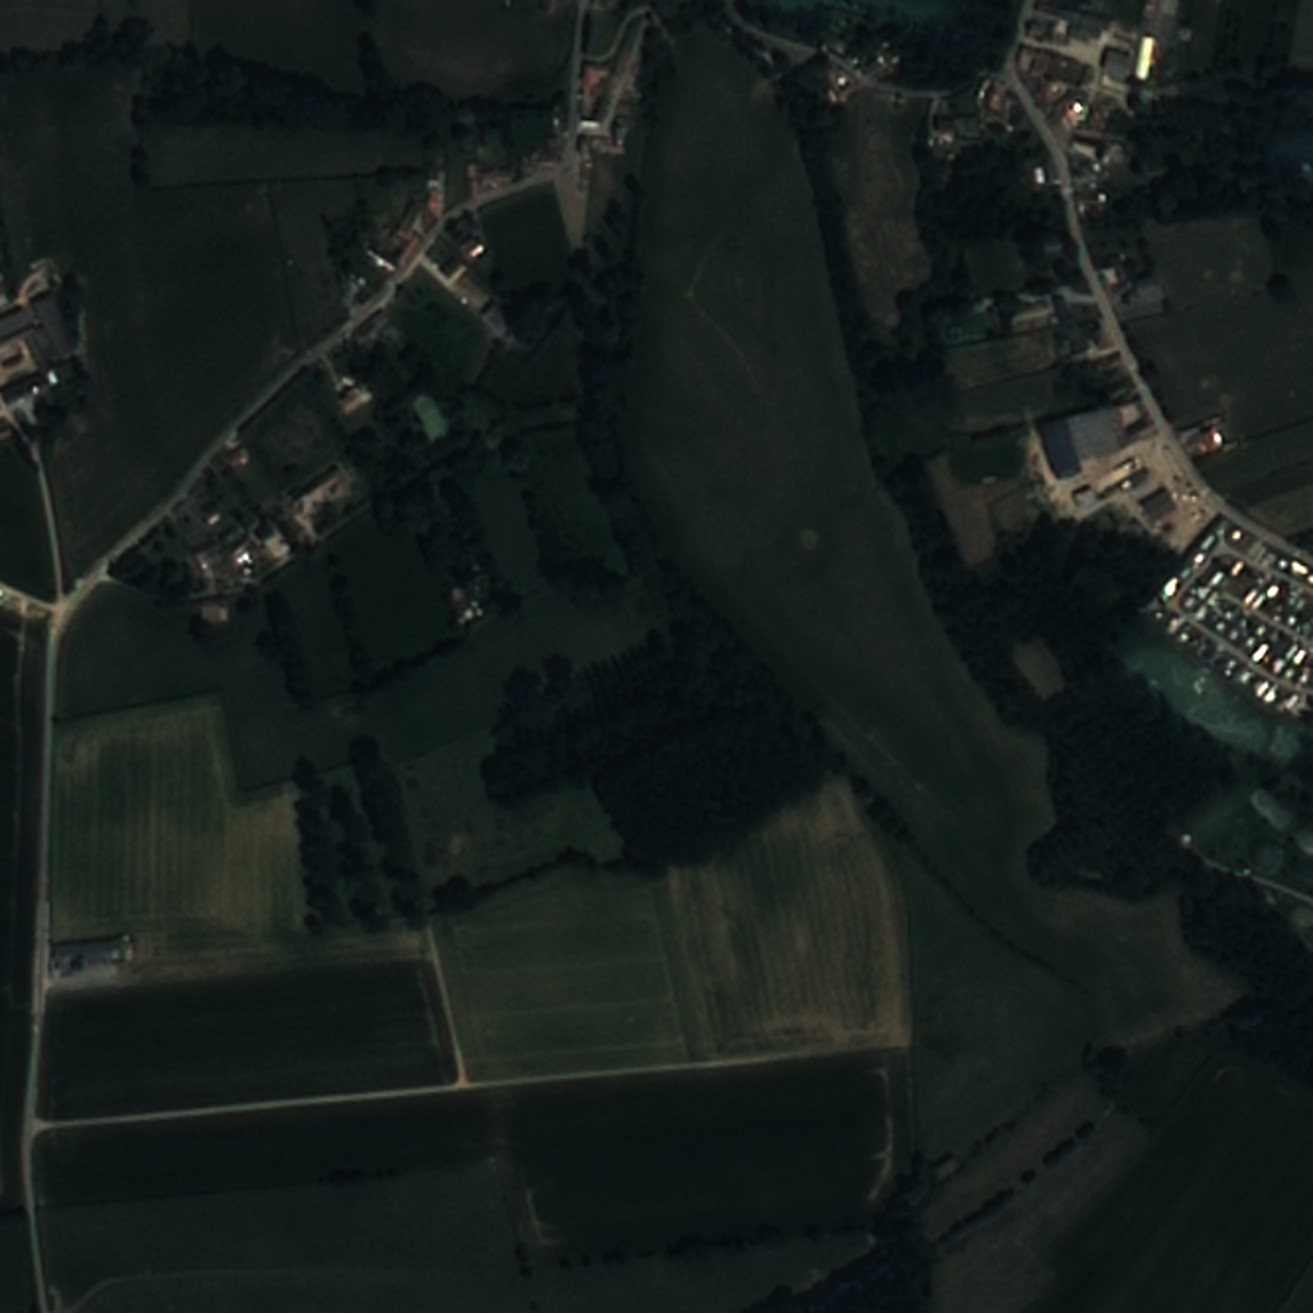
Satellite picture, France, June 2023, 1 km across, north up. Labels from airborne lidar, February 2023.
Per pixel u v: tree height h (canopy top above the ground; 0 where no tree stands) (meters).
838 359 0
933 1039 0
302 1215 0
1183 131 15
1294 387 0
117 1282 0
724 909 0
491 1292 0
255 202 0
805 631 0
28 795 0
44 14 0
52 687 0
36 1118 0
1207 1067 0
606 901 0
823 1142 0
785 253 0
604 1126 0
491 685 0
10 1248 0
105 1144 0
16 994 0
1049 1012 0
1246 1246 0
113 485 0
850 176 0
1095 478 0
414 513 22
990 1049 0
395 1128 0
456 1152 0
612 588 36
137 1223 0
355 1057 0
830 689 0
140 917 0
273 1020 0
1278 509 0
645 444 0
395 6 0
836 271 12
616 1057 0
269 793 0
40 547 0
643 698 33
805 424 0
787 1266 0
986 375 0
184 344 0
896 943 0
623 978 0
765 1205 0
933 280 7
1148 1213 0
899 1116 0
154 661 0
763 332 0
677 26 8
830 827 0
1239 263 0
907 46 15
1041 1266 0
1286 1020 17
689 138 0
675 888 0
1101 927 0
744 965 0
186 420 0
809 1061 0
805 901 0
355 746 0
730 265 0
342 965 0
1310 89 25
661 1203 0
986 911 0
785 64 15
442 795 0
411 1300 0
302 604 0
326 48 0
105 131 0
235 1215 0
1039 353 0
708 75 0
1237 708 0
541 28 0
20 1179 0
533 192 0
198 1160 0
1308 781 25
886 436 0
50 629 0
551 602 0
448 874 0
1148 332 0
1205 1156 0
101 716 0
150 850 0
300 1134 0
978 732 0
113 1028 0
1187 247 0
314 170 0
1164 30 0
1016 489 0
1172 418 7
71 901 0
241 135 0
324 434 0
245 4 0
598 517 0
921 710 0
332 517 8
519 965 0
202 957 0
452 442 9
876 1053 0
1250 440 0
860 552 0
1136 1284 0
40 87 0
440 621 0
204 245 0
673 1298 0
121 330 0
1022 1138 0
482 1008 0
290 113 32
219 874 0
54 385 6
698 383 0
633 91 0
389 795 30
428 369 15
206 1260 0
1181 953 0
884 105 0
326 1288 0
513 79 0
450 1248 0
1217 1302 0
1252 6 0
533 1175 0
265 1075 0
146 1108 0
